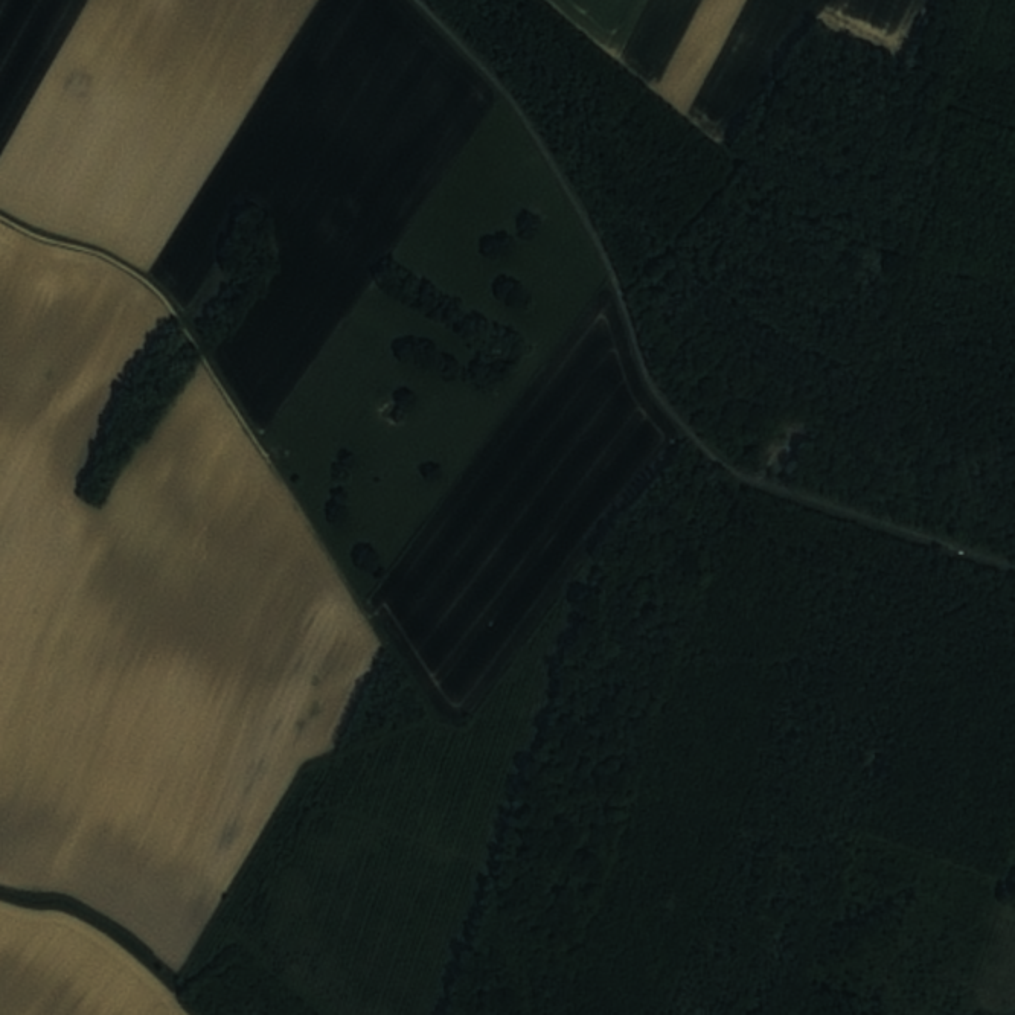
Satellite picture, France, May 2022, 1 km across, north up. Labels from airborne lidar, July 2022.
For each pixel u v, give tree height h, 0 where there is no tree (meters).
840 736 18
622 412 0
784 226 22
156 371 20
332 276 0
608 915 15
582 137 16
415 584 0
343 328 0
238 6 0
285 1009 6
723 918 16
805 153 20
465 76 0
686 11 0
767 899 17
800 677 18
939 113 14
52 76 0
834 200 22
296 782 0
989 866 19
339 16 0
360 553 15
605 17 0
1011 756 18
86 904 0
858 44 27
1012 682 18
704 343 28
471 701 0
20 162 0
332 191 0
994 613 21
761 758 15
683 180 20
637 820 15
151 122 0
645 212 18
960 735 21
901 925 22
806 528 13
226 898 10
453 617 0
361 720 22
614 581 17
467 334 29
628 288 13
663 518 25
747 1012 13
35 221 0
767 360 32
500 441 0
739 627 15
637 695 26
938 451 26
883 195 24
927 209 13
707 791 15
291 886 0
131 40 0
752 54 0
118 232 0
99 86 0
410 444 0
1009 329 18
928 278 16
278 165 0
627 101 19
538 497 0
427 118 0
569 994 16
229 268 20
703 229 21
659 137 18
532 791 27
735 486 12
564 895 26
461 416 0
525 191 0
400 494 0
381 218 0
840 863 21
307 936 0
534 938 25
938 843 20
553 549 0
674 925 15
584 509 0
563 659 17
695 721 14
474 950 20
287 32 0
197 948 0
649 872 15
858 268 28
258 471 0
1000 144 14
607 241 14
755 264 29
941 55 18
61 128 0
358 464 10
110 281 0
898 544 13
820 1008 25
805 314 21
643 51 0
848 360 22
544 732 26
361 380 0
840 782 17
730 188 12
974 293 16
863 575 20
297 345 0
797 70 25
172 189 0
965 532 21
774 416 27
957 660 19
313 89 0
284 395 0
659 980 16
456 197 0
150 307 0
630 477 0
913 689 20
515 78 20
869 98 27
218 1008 7
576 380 0
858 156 24
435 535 0
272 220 18
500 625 0
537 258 0
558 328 0
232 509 0
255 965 9
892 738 19
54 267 0
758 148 20
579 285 0
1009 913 0
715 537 24
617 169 18
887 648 17
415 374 0
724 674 15
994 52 14
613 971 16
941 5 21
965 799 18
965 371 17
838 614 17
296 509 0
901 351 16
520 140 0
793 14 0
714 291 25
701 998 18
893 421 24
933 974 6
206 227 0
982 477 22
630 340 0
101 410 0
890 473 21
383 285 15
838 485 22
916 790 20
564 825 28
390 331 0
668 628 26
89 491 16
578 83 18
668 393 18
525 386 0
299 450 0
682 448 10
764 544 17
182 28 0
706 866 16
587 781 29
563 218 0
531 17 19
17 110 0
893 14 0
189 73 0
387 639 0
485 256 15
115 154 0
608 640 22
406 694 21
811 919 24
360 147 0
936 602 20
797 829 19
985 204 12
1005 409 17
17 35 0
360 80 0
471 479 0
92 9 0
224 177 0
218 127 0
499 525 0
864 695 18
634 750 23
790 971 21
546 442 0
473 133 0
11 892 0
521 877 26
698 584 22
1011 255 14
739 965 18
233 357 0
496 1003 26
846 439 20
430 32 0
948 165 13
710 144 20
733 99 0
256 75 0
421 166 0
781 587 16
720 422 23
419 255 0
